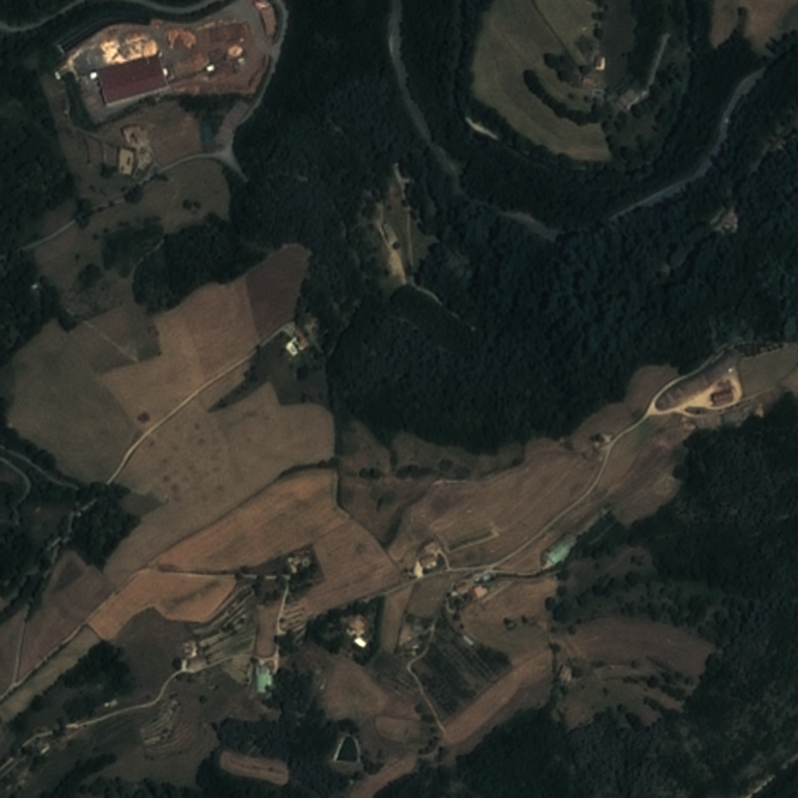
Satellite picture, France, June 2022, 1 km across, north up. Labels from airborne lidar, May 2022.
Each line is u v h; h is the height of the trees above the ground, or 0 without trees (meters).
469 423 18
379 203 12
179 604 0
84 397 0
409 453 0
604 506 0
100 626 0
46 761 11
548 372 28
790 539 14
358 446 0
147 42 0
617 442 0
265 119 13
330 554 0
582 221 15
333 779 18
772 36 0
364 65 19
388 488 0
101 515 14
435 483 0
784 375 0
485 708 0
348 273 13
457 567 0
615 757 21
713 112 11
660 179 14
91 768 11
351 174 19
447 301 18
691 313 20
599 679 0
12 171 10
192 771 0
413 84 13
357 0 17
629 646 0
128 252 0
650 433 0
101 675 6
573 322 35
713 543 14
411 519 0
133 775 0
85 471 0
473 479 0
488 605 0
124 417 0
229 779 9
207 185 0
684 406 0
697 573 19
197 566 0
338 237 17
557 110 15
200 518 0
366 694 0
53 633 0
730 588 13
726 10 0
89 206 13
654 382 0
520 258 35
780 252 13
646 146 14
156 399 0
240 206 10
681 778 9
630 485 0
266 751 13
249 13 0
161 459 0
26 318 10
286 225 17
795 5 0
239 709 0
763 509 8
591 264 45
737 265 25
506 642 0
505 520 0
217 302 0
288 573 8
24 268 7
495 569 0
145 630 0
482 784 19
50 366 0
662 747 11
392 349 18
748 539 9
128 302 0
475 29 23
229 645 0
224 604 0
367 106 21
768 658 6
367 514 0
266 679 0
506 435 14
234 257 12
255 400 0
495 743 12
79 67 0
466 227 39
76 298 0
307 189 15
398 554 0
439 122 11
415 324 9
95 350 0
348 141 22
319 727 7
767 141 10
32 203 12
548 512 0
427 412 18
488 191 22
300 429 0
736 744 6
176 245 12
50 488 14
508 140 18
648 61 12
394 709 0
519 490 0
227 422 0
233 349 0
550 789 9
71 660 0
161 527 0
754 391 0
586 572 0
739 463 17
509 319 24
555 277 28
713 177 7
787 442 10
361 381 15
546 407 17
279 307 0
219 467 0
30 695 0
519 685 0
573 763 7
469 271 28
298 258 0
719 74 17
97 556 10
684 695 11
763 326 15
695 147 15
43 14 14
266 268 0
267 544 0
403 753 0
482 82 0
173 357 0
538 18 0
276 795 10
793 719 8
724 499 15
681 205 7
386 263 0
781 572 22
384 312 20
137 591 0
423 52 19
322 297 16
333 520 0
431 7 19
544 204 22
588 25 0
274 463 0
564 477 0
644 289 29
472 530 0
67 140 0
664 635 0
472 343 19
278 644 10
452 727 0
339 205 15
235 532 0
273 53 0
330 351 7
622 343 37
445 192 21
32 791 0
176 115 0
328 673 0
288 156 12
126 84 0
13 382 0
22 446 8
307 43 15
